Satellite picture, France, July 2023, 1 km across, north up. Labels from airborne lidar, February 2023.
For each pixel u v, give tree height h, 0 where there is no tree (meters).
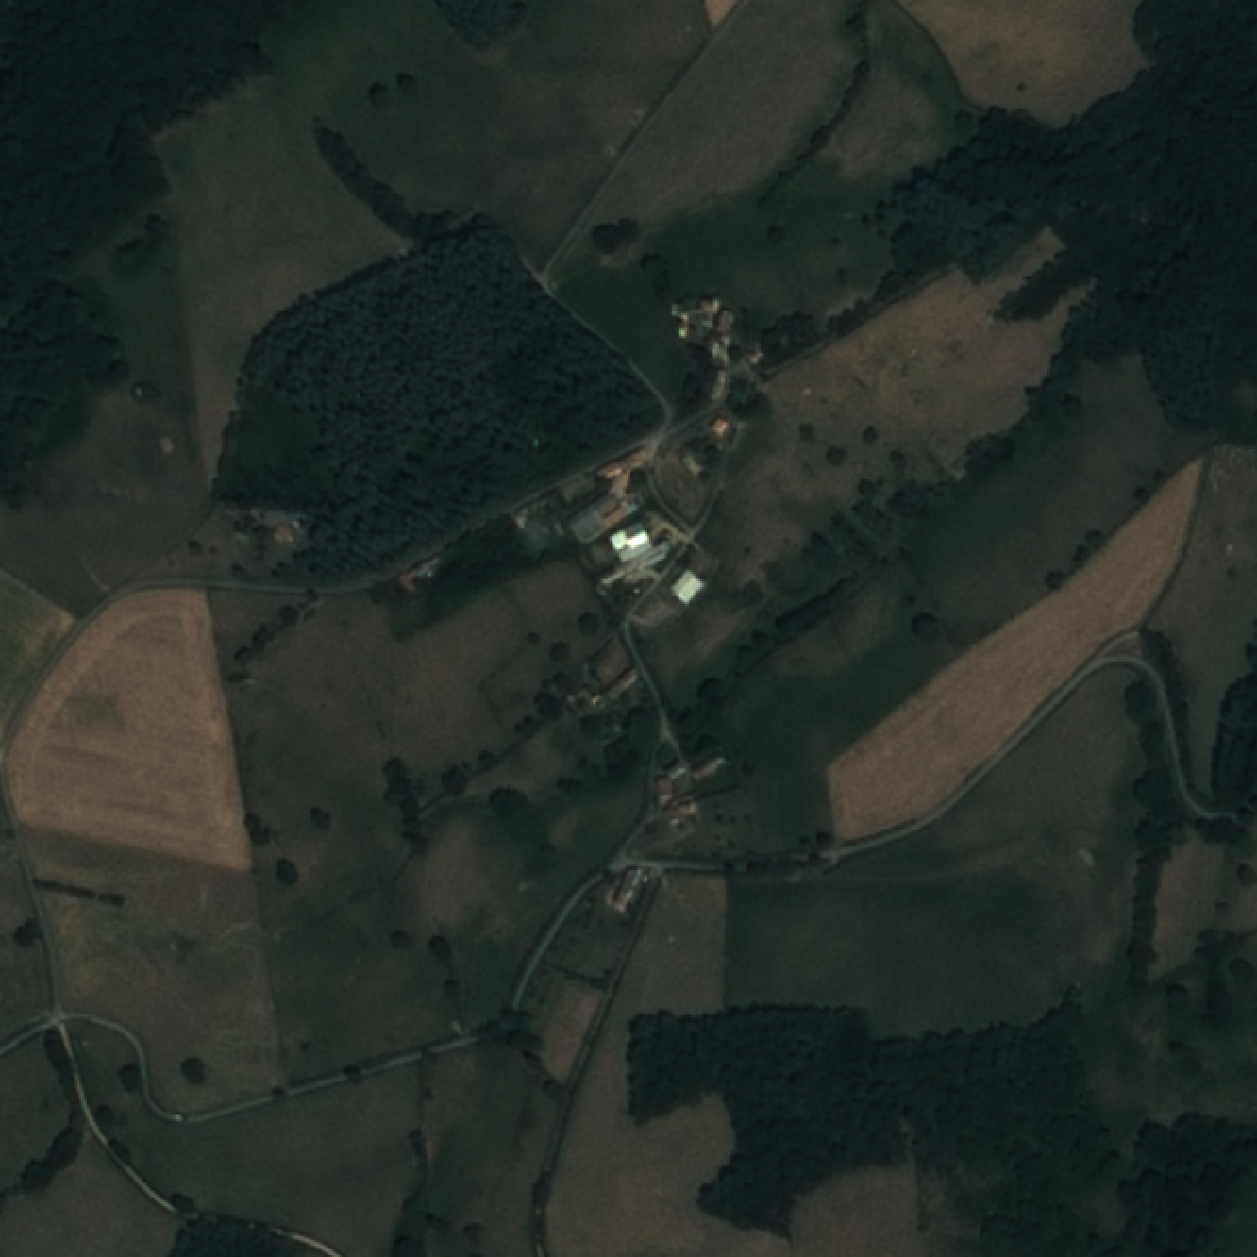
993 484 0
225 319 0
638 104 0
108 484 0
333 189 0
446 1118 0
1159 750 14
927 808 0
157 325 0
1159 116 23
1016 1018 0
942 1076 17
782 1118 16
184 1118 0
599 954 0
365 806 0
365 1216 0
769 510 0
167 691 0
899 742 0
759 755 0
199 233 0
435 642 0
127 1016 0
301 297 0
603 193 0
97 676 0
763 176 0
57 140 29
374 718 0
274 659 0
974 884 0
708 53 0
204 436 0
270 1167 0
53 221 26
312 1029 0
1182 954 0
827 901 0
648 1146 0
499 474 15
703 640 0
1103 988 0
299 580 0
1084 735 0
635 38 0
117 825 0
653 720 16
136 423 0
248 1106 0
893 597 0
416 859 0
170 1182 0
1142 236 19
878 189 0
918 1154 6
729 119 0
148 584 0
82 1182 0
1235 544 0
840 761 0
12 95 26
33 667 0
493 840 0
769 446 0
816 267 0
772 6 0
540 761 0
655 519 0
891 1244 0
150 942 0
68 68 27
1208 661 0
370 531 29
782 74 0
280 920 0
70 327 18
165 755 0
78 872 0
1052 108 0
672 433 0
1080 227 13
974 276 13
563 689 12
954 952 0
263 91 0
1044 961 0
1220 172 31
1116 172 24
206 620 0
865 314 10
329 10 0
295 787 0
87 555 0
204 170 0
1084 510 0
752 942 0
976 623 0
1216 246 21
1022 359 0
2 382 16
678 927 0
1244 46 29
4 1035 0
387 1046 0
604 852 0
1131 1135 0
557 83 0
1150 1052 0
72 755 0
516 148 0
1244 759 32
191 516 0
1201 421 16
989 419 0
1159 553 0
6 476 10
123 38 26
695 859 0
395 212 11
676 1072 17
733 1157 0
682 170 0
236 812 0
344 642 0
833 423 0
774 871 12
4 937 0
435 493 10
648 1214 0
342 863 0
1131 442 0
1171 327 18
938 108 0
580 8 0
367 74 0
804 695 0
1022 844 0
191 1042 0
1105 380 0
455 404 23
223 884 0
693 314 0
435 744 0
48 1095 0
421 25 0
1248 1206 0
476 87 0
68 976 0
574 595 0
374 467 18
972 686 0
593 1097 0
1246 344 16
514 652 0
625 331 0
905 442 0
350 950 0
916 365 0
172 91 22
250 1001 0
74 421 0
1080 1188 0
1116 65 0
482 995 0
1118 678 0
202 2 25
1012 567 0
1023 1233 10
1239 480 0
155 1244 0
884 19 0
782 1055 20
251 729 0
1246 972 14
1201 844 0
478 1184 0
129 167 20
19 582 0
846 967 0
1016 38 0
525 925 0
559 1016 0
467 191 0
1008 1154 14
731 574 0
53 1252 0
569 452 12
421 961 0
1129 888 0
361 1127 0
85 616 0
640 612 0
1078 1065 17
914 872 0
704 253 0
